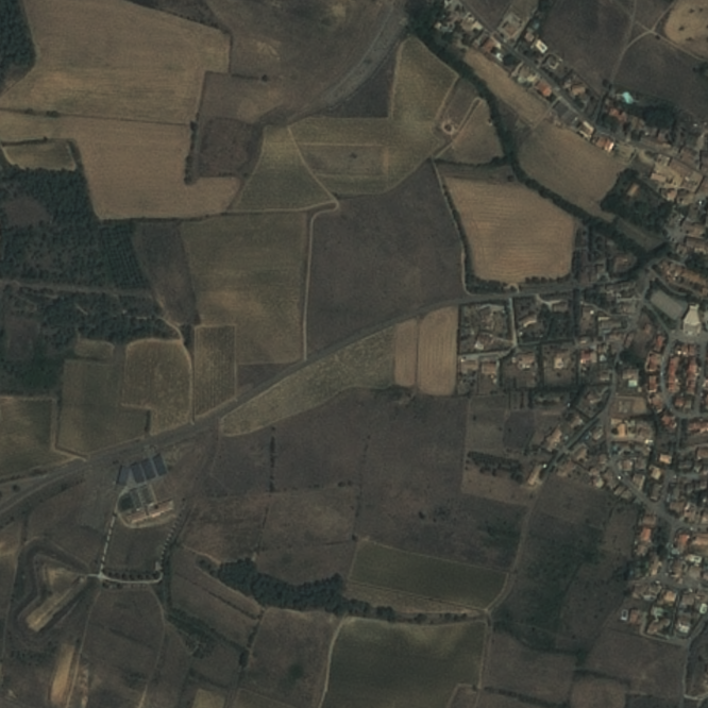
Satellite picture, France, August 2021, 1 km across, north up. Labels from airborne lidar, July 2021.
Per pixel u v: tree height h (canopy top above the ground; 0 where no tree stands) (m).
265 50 0
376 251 0
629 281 11
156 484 0
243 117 0
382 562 0
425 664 0
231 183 0
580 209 6
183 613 6
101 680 0
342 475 0
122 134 0
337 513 0
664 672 0
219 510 0
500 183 0
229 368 0
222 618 0
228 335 0
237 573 9
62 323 16
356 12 0
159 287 0
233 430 0
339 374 0
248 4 0
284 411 0
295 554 0
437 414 0
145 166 0
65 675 0
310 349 0
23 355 0
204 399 0
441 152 0
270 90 0
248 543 0
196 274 0
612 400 0
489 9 0
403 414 0
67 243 9
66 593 0
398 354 0
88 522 0
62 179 15
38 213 0
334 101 0
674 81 0
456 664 0
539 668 0
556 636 0
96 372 0
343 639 0
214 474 0
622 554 0
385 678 0
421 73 0
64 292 6
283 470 0
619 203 12
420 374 0
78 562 0
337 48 0
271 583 12
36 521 0
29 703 0
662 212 11
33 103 0
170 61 0
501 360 6
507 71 0
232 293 0
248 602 0
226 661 0
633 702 0
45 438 0
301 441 0
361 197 0
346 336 0
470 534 0
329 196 0
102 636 0
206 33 0
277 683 0
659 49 0
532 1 0
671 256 12
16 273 10
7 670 0
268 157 0
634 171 9
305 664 0
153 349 0
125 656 0
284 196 0
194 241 0
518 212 0
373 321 0
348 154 0
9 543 0
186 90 0
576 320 8
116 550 0
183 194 0
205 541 0
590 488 0
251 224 0
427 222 0
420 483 0
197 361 0
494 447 0
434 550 0
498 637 0
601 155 0
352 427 0
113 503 0
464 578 0
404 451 0
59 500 0
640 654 0
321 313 0
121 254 9
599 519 0
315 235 0
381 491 0
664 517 0
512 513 0
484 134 0
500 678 0
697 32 0
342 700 0
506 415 0
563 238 0
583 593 0
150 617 0
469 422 0
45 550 0
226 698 0
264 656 0
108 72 0
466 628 0
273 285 0
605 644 0
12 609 0
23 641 0
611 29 0
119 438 0
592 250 11
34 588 0
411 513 0
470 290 9
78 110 0
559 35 0
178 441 0
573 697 0
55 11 0
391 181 0
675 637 0
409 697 0
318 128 0
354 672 0
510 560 0
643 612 0
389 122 0
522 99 0
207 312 0
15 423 0
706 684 0
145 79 0
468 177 0
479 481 0
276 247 0
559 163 0
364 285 0
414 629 0
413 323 0
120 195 0
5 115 0
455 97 0
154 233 0
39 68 0
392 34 0
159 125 0
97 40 0
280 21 0
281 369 0
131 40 0
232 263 0
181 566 0
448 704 0
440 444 0
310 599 14
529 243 0
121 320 13
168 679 0
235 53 0
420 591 0
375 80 0
